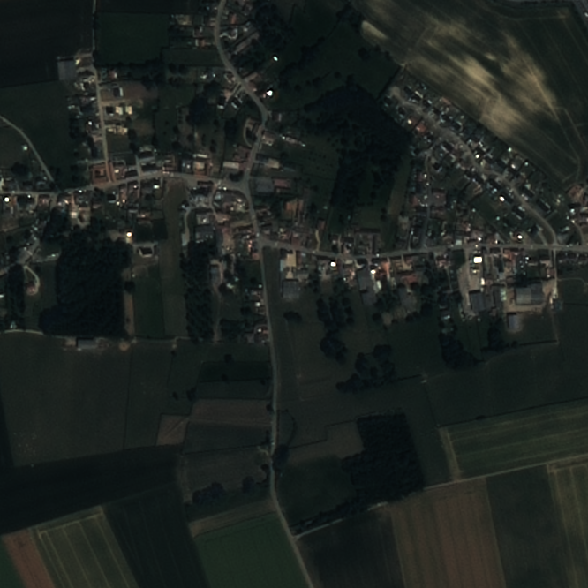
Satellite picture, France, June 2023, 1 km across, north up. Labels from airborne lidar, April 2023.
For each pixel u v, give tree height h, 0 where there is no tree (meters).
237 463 0
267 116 0
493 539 0
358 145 11
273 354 0
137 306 0
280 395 0
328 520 10
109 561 0
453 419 0
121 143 0
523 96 0
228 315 0
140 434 0
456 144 0
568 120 0
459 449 0
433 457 0
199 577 0
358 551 0
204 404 0
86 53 0
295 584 0
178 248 0
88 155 0
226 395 0
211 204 0
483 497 0
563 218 0
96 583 0
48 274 0
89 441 0
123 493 0
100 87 0
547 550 0
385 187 0
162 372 0
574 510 0
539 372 0
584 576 0
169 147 0
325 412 0
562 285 0
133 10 0
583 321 0
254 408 0
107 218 0
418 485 14
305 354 0
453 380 0
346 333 0
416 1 0
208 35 0
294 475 0
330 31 0
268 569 0
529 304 0
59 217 15
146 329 0
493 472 0
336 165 0
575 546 0
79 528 0
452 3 0
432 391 0
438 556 0
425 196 0
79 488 0
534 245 0
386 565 0
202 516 0
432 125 0
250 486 23
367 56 20
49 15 0
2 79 0
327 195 0
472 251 0
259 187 0
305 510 0
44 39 0
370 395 0
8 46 0
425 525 0
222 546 0
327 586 0
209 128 0
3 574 0
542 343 0
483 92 0
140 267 0
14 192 0
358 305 0
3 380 0
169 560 0
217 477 0
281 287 0
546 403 0
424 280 0
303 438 0
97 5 0
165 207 0
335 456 0
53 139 0
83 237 11
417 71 0
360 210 0
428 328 0
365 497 15
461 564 0
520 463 0
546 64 0
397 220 0
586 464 0
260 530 0
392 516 0
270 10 15
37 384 0
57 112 0
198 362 0
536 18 0
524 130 0
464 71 0
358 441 0
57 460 0
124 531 0
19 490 0
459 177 0
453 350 22
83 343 0
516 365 0
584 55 0
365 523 0
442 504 0
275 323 0
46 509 0
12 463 0
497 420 0
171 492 0
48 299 0
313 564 0
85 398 0
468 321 0
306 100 0
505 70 0
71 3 0
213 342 0
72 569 0
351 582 0
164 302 0
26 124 0
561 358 0
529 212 0
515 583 0
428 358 0
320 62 0
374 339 0
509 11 0
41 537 0
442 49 0
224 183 0
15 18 0
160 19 0
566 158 0
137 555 0
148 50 0
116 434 0
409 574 0
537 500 0
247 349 0
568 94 0
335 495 0
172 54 0
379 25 0
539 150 0
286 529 0
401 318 0
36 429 0
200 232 0
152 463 0
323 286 0
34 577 0
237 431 0
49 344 0
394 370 23
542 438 0
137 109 0
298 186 0
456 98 0
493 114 0
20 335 0
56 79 0
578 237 0
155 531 0
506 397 0
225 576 0
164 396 0
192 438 0
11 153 0
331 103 28
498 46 0
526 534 0
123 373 0
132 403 0
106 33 0
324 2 0
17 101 0
